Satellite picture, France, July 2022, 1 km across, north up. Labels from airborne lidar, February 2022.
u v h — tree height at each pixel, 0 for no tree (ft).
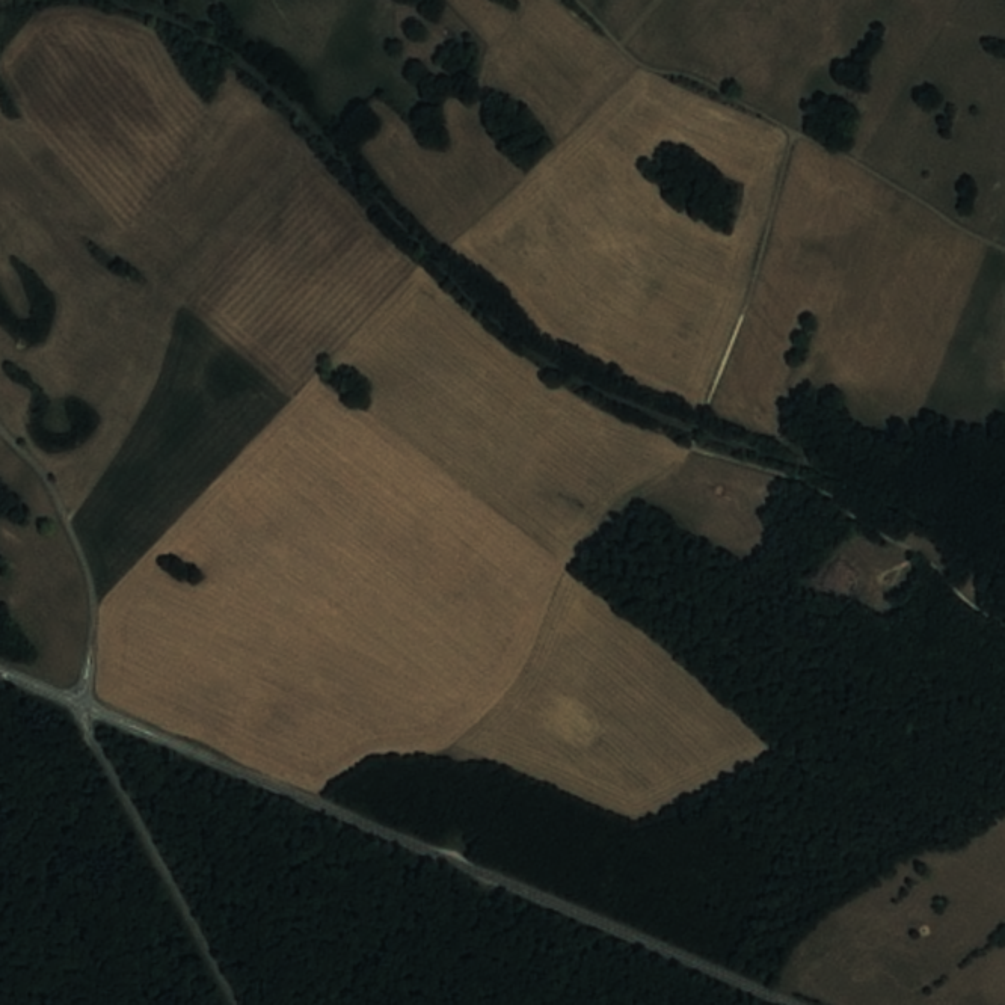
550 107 0
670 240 0
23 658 56
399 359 0
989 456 51
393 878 77
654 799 0
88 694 0
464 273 63
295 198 0
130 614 0
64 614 0
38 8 34
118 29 0
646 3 0
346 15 0
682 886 22
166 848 48
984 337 0
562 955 66
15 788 57
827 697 60
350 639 0
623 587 68
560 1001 68
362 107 54
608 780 0
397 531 0
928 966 0
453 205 0
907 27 0
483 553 0
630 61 0
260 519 0
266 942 74
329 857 75
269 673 0
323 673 0
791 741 49
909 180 0
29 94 0
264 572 0
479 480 0
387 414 0
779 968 49
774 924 65
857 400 0
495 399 0
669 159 57
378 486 0
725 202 42
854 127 57
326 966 61
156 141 0
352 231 0
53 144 0
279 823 76
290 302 0
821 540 42
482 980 65
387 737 0
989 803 51
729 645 64
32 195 0
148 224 0
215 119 0
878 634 69
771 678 58
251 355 0
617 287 0
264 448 0
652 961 58
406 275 0
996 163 0
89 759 43
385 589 0
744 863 25
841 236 0
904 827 46
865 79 66
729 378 0
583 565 49
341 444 0
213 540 0
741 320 0
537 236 0
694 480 0
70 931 64
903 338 0
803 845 48
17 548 0
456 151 0
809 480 41
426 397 0
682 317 0
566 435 0
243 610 0
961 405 0
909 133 0
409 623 0
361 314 0
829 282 0
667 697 0
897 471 57
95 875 69
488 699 0
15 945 64
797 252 0
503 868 32
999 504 56
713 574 59
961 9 0
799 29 0
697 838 27
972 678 59
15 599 0
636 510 26
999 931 26
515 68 0
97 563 0
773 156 0
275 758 0
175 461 0
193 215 0
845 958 0
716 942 30
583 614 0
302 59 0
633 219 0
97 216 0
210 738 0
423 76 32
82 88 0
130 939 61
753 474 0
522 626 0
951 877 0
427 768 30
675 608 31
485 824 33
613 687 0
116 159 0
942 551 39
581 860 34
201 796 80
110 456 0
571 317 0
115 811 56
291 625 0
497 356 0
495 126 58
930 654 67
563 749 0
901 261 0
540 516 0
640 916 20
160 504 0
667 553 48
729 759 0
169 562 47
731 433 58
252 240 0
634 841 24
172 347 0
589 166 0
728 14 0
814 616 46
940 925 0
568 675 0
